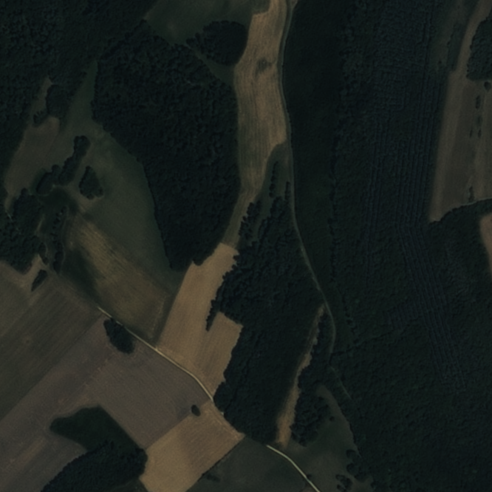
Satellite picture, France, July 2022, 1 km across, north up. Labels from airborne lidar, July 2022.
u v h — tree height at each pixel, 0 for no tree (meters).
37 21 24
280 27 0
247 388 22
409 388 10
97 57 19
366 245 11
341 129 19
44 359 0
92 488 25
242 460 0
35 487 0
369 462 20
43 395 0
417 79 9
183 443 0
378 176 11
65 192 0
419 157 12
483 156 0
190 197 31
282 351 26
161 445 0
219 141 26
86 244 0
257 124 0
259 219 14
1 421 0
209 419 0
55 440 0
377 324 13
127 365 0
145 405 0
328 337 21
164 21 0
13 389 0
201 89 22
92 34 22
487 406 15
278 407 22
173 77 28
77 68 16
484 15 0
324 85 13
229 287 24
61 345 0
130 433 0
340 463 0
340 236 17
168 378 0
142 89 26
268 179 0
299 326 25
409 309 14
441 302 12
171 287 0
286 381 23
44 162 0
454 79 0
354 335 18
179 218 27
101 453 22
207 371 0
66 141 0
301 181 6
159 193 22
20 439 0
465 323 10
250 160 0
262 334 17
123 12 21
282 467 0
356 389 19
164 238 16
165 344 0
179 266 18
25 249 19
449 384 8
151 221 0
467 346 11
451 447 13
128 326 0
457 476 20
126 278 0
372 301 13
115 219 0
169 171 18
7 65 22
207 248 25
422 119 12
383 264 10
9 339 0
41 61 26
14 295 0
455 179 0
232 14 0
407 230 13
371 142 13
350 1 8
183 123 17
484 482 20
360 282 14
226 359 0
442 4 12
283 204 17
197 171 26
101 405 0
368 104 16
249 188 0
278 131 0
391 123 12
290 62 5
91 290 0
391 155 10
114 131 22
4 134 30
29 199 21
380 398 14
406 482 12
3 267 0
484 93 0
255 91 0
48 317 0
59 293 0
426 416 10
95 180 16
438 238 16
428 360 8
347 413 22
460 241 19
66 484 23
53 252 0
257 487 0
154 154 21
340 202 22
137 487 0
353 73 10
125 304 0
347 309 17
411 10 11
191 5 0
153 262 0
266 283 27
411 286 12
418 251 12
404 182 10
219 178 29
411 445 17
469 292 8
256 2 0
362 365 17
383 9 12
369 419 18
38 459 0
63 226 19
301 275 22
